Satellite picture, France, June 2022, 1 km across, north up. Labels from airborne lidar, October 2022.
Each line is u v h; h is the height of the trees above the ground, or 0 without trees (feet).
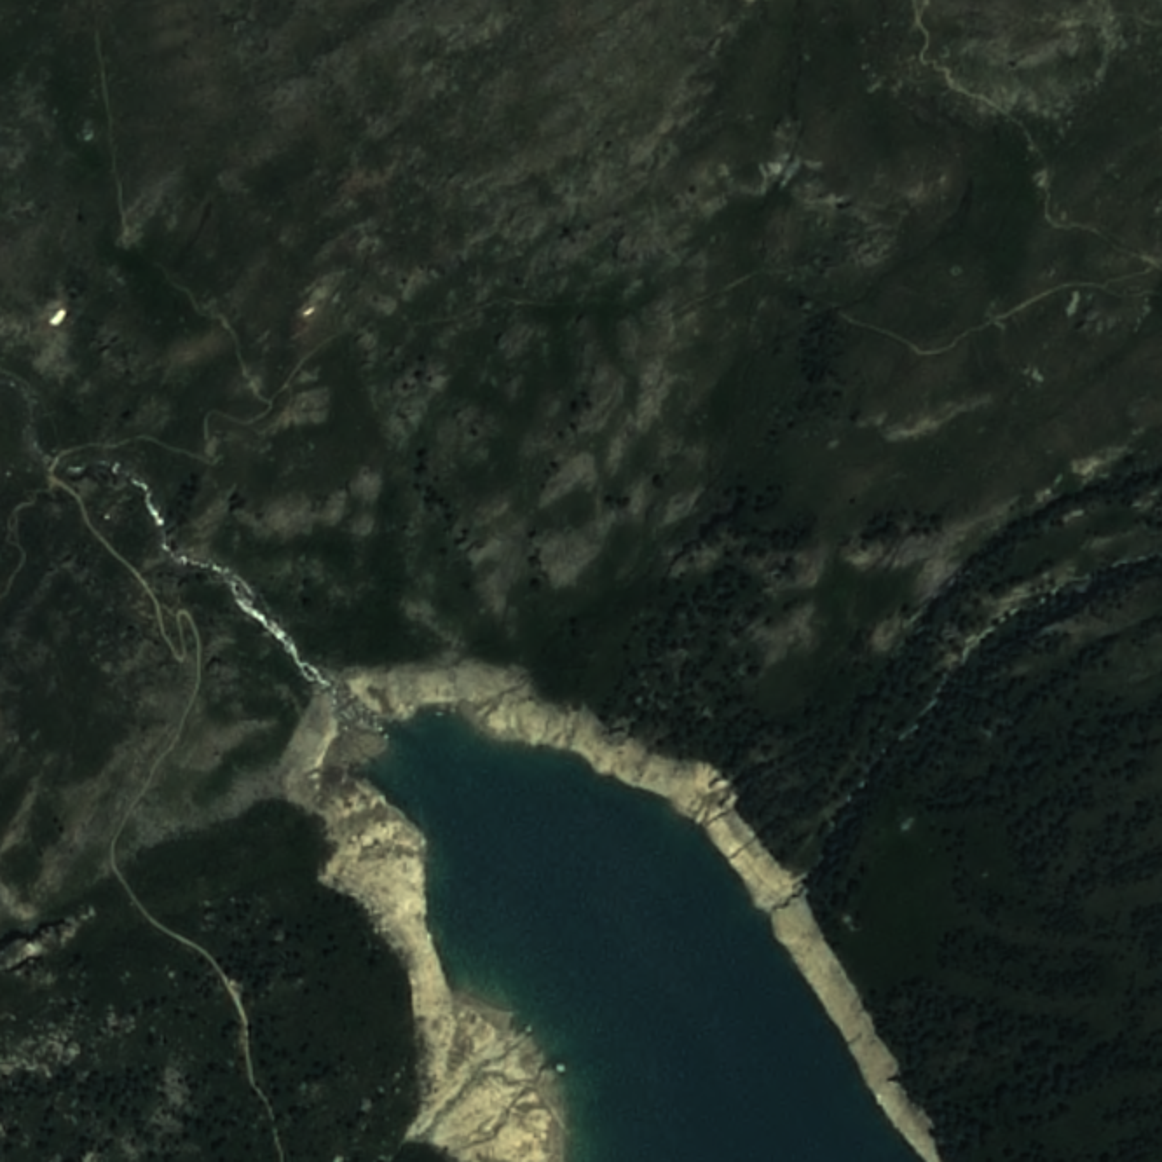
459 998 0
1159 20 0
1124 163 0
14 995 0
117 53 0
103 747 0
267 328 0
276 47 0
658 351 0
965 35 0
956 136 0
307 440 0
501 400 0
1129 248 0
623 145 0
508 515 0
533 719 0
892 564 0
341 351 0
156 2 0
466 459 0
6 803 0
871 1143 0
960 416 0
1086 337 0
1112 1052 29
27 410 0
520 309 0
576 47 0
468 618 0
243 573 0
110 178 0
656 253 0
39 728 0
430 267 34
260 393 0
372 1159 18
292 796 0
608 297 0
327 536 0
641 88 0
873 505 0
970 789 24
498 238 0
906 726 41
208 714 0
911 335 0
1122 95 0
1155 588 0
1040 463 0
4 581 0
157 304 0
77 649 0
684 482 0
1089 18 0
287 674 22
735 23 0
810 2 0
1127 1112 27
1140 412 0
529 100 0
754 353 0
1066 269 0
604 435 0
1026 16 0
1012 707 45
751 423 0
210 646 28
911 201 0
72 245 0
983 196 0
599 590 0
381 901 0
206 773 0
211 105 0
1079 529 0
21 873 0
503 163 0
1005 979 20
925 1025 33
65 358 0
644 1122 0
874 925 0
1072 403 0
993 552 28
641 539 0
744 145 0
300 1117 34
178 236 0
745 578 28
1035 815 28
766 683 0
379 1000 0
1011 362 0
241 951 39
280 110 0
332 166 0
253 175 0
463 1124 0
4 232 0
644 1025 0
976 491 0
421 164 0
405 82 0
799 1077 0
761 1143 0
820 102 0
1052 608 34
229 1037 29
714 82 0
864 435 0
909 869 0
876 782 47
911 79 0
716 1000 0
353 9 0
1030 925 0
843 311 0
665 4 0
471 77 0
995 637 43
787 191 0
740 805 31
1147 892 0
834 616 0
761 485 0
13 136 0
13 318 0
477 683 0
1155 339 0
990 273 0
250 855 0
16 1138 33
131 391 0
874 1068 0
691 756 22
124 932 0
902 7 0
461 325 0
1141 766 30
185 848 0
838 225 0
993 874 0
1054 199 0
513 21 0
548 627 0
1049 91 0
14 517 0
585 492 0
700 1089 0
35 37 0
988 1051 28
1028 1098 33
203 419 0
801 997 0
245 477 0
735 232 0
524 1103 0
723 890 0
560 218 0
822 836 40
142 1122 49
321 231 0
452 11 0
